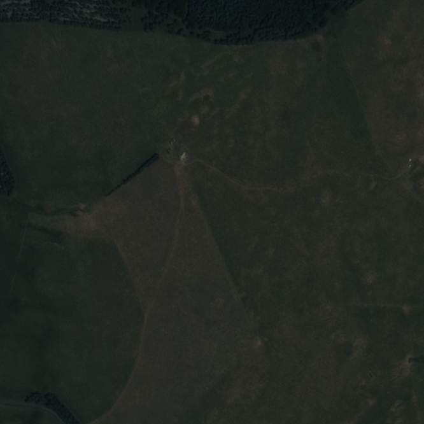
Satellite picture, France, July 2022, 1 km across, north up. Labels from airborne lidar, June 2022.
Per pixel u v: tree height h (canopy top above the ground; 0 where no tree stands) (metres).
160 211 0
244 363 0
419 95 0
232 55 0
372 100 0
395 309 0
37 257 0
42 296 0
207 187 0
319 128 0
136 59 0
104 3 13
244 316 0
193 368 0
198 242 0
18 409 0
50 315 0
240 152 0
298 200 0
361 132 0
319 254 0
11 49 0
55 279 0
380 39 0
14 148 0
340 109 0
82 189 0
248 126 0
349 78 0
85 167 0
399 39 0
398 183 0
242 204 0
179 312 0
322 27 7
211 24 19
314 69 0
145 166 13
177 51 0
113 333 0
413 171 0
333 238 0
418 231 0
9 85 0
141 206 0
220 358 0
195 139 0
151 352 0
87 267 0
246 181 0
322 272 0
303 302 0
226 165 0
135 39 0
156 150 0
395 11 0
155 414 0
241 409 0
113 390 0
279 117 0
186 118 0
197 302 0
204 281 0
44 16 11
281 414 0
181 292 0
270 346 0
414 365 0
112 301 0
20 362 0
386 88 0
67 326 0
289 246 0
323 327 0
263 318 0
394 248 0
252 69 0
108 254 0
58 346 0
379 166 0
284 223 0
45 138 0
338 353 0
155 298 0
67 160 0
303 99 0
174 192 0
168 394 0
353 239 0
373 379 0
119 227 0
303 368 0
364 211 0
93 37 0
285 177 0
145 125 0
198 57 0
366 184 0
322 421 0
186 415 0
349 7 18
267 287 0
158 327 0
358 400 0
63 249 0
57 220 0
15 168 0
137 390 0
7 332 0
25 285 0
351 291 0
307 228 0
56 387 0
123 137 0
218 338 0
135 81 0
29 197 0
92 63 0
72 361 0
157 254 0
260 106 0
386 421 0
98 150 0
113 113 0
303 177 0
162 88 0
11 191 11
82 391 0
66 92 0
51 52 0
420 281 0
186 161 0
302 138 0
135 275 0
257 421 0
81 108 0
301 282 0
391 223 0
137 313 0
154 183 0
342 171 0
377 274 0
